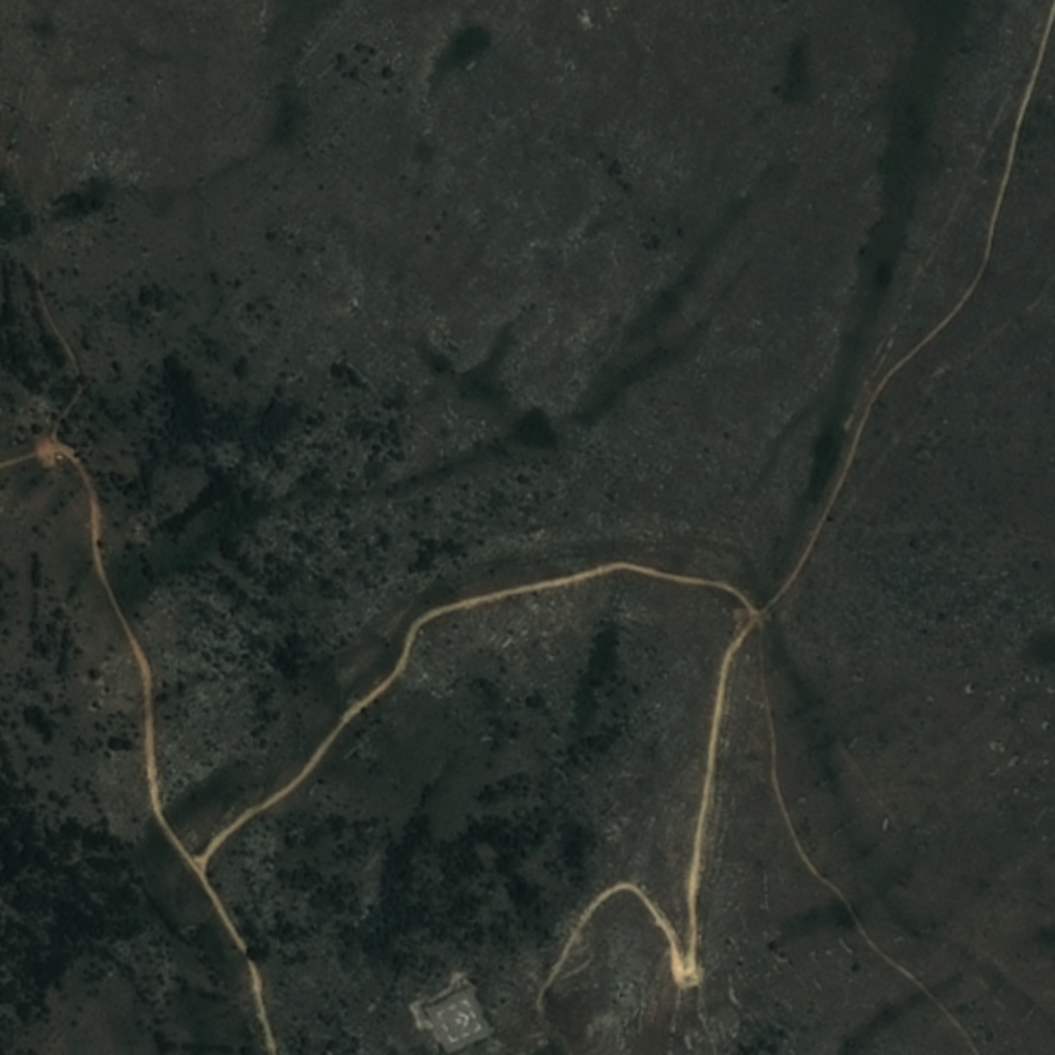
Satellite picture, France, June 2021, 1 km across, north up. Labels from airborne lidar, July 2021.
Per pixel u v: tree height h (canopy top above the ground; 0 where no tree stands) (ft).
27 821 20
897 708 0
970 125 0
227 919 0
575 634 0
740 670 0
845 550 0
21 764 0
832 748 0
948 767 0
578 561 0
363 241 0
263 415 28
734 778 0
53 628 30
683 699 0
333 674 0
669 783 0
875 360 0
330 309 0
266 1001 0
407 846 27
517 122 0
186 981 18
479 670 0
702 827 0
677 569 0
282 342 0
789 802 0
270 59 0
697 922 0
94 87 0
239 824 0
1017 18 0
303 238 0
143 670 0
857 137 0
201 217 0
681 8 0
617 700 0
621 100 0
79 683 0
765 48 0
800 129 0
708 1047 0
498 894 0
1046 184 0
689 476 0
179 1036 0
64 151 0
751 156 0
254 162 0
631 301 0
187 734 0
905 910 0
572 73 0
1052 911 0
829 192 0
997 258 0
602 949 0
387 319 0
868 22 0
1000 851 0
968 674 0
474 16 0
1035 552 0
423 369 0
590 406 0
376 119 0
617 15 0
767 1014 0
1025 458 0
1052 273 0
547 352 0
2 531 0
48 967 17
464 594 0
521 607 0
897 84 0
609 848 0
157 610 0
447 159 0
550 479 0
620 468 0
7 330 22
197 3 0
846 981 0
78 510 0
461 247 0
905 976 0
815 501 0
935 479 0
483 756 0
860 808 0
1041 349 0
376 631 0
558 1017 0
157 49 0
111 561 0
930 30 0
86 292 0
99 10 0
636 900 0
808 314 0
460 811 0
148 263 0
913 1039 0
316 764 0
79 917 27
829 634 0
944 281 0
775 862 0
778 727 0
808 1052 0
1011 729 0
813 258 0
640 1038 0
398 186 0
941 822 0
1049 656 0
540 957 0
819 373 0
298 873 24
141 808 0
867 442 0
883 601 0
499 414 0
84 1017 0
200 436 24
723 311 0
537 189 0
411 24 0
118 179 0
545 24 0
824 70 0
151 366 26
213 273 19
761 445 0
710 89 0
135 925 21
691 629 0
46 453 0
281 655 23
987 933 0
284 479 0
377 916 18
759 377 0
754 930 0
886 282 0
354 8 0
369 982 0
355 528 0
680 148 0
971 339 0
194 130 0
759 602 0
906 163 0
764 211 0
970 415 0
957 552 0
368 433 22
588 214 0
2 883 26
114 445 0
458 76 0
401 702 0
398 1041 0
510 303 0
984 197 0
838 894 0
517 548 0
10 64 0
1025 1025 0
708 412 0
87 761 0
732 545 0
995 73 0
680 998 0
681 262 0
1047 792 0
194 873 0
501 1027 0
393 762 0
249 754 0
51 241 0
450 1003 0
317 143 0
